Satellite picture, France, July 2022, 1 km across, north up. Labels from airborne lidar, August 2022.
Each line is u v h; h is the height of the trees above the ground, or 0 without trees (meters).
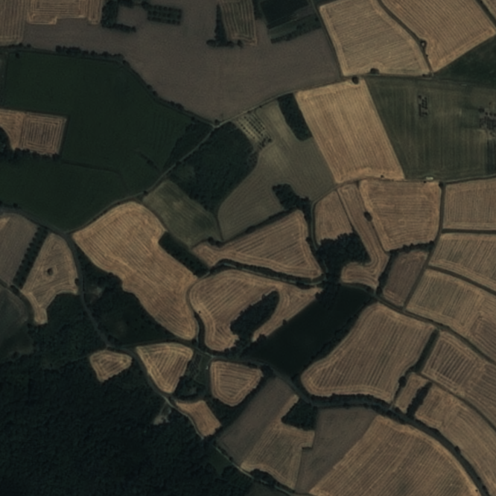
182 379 13
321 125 0
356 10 0
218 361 0
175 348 0
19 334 0
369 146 0
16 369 11
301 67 0
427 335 0
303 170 0
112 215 0
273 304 7
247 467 0
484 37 0
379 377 0
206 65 0
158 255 0
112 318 0
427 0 0
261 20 0
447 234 0
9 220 0
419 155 0
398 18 0
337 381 0
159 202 0
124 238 0
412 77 0
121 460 20
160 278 0
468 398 0
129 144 0
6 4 0
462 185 0
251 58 0
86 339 10
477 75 0
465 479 0
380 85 0
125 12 0
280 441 0
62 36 0
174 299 0
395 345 0
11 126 0
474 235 0
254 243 0
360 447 0
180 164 11
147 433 10
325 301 14
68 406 26
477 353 0
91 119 0
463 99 0
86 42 0
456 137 0
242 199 0
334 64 0
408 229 0
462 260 0
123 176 0
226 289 0
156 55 0
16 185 0
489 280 0
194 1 0
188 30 0
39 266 0
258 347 11
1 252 0
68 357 6
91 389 18
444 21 0
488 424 0
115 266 0
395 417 14
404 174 0
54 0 0
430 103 0
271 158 0
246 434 0
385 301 0
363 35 0
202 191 8
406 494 0
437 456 0
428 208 0
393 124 0
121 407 7
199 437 13
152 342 0
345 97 0
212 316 0
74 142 0
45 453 22
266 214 0
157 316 0
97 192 0
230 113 0
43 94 0
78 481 21
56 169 0
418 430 0
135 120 0
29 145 0
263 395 0
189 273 0
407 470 0
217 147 7
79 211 0
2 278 0
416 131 0
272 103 0
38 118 0
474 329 0
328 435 0
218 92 0
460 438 0
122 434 12
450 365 0
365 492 0
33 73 0
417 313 0
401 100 0
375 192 0
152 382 0
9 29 0
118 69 0
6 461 23
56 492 16
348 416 0
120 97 0
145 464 23
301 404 6
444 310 0
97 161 0
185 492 19
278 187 7
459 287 0
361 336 0
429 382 0
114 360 0
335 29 0
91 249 0
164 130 0
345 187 0
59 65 0
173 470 23
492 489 0
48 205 0
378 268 0
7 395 18
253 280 0
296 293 0
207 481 16
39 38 0
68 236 0
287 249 0
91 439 23
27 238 0
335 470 0
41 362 6
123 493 20
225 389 0
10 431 23
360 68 0
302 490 0
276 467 0
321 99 0
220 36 9
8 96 0
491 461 0
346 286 0
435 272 0
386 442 0
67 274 0
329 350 8
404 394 0
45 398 27
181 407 0
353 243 26
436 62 0
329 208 0
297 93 0
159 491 26
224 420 8
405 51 0
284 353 0
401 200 0
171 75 0
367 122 0
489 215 0
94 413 21
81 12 0
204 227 0
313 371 0
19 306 0
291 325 0
